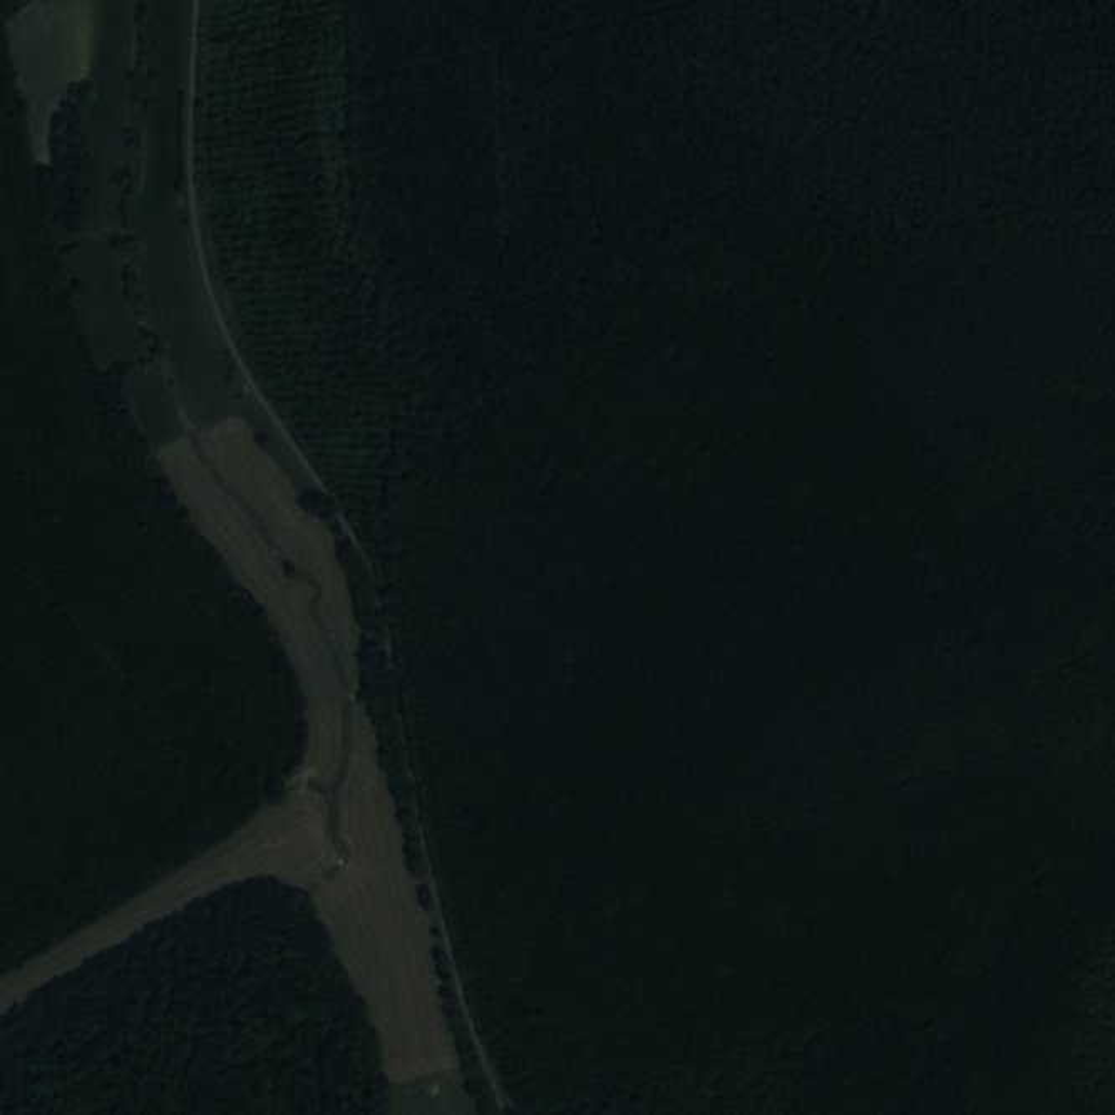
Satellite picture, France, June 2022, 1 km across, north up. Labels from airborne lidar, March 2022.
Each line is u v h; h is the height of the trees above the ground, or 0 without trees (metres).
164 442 0
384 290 15
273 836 0
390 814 0
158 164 0
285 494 0
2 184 10
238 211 6
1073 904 13
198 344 0
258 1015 23
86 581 9
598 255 0
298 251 11
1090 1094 6
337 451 0
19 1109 21
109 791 9
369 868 0
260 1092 21
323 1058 22
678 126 18
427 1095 0
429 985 0
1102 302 8
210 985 24
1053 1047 6
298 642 0
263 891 22
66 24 0
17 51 0
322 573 0
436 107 0
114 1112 8
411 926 0
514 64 0
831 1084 12
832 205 17
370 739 0
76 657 6
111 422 14
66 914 9
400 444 17
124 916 0
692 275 0
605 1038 0
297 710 13
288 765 16
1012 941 13
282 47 7
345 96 10
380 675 23
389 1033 0
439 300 7
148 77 12
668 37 17
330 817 0
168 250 0
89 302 0
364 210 16
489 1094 17
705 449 15
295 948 21
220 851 0
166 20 0
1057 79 20
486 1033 10
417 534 0
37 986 0
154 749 7
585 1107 23
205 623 7
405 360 17
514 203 0
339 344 7
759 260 0
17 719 7
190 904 0
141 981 23
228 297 0
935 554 12
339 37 0
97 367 8
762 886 0
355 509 10
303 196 8
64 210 20
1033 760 7
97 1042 24
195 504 0
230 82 6
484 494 0
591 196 0
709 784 0
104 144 0
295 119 10
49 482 7
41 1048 19
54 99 0
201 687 7
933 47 17
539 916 0
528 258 0
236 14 6
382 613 14
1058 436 9
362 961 0
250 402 0
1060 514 8
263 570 0
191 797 9
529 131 0
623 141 0
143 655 9
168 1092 8
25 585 7
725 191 0
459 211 0
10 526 8
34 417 7
